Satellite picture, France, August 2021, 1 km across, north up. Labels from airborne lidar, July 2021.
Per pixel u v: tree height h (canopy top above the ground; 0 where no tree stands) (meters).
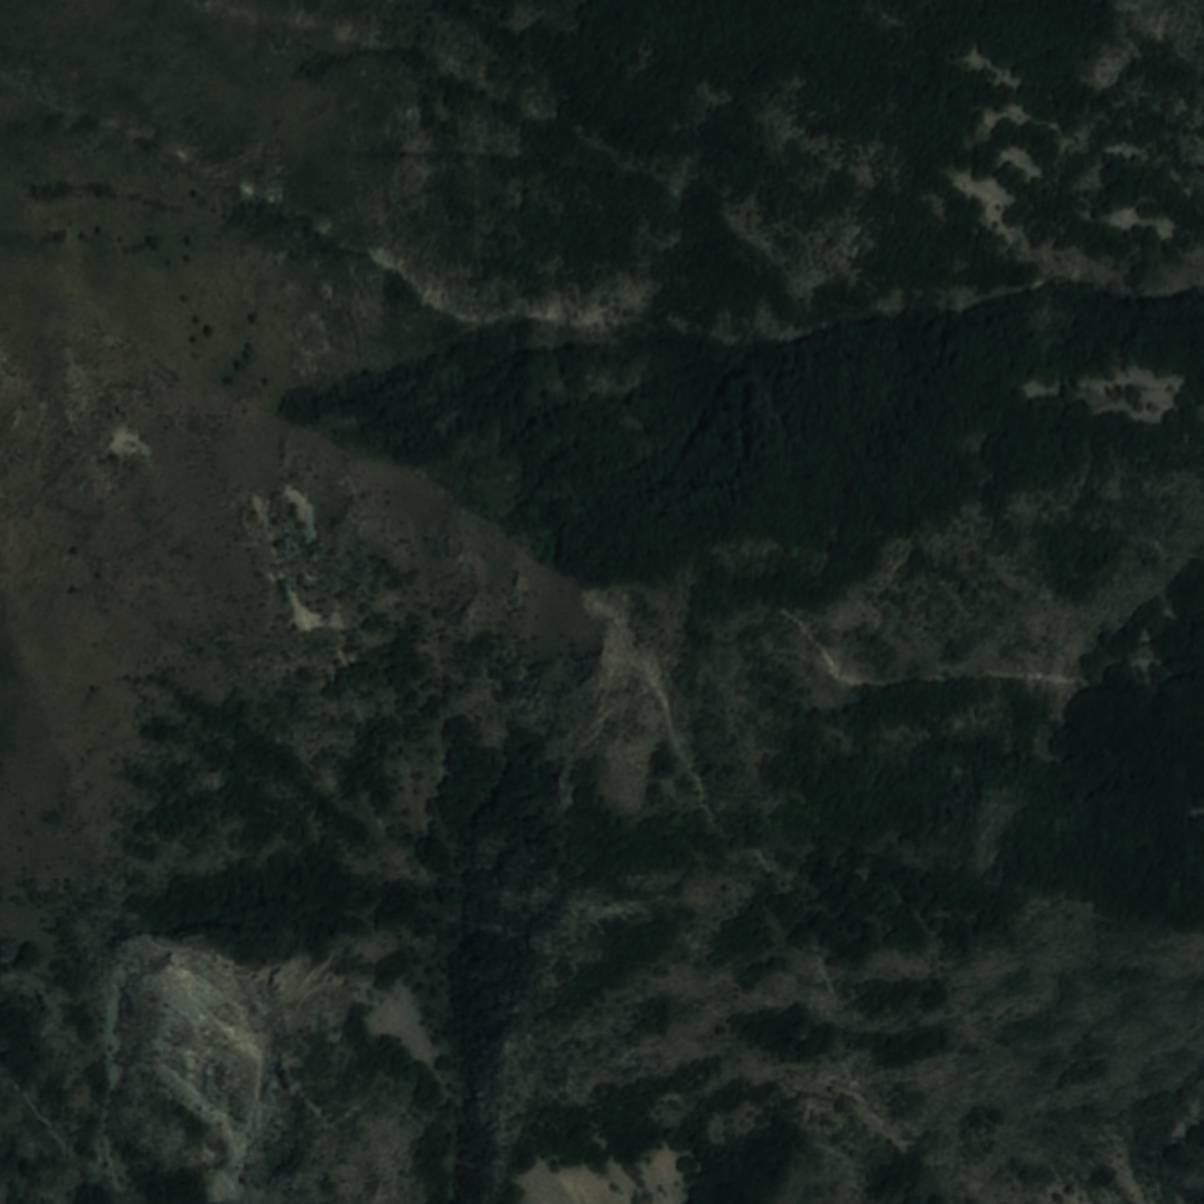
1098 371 13
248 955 10
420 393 8
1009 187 11
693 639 11
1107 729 21
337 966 10
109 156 0
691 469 19
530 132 9
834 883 10
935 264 13
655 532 17
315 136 0
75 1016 7
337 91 0
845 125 8
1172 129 7
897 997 14
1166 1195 7
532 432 14
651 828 12
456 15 7
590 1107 7
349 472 0
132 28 0
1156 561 9
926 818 9
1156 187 9
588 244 11
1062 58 14
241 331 0
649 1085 10
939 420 11
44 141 0
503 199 8
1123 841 15
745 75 11
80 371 0
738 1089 9
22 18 0
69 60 0
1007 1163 7
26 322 0
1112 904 13
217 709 6
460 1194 10
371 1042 16
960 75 19
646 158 8
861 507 13
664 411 16
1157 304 19
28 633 0
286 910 15
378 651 8
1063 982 6
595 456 14
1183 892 8
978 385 13
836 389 16
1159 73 10
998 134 13
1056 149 7
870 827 16
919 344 11
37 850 0
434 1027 6
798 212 7
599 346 9
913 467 9
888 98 8
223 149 0
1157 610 14
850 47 12
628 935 10
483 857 6
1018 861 11
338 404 7
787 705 10
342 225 0
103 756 0
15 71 0
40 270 0
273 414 0
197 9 0
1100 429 13
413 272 0
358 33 0
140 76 0
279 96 0
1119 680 18
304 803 9
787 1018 11
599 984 10
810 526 11
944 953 6
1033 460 17
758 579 8
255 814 12
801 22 14
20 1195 9
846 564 15
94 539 0
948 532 8
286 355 0
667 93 14
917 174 7
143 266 0
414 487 0
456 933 9
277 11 0
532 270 9
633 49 8
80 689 0
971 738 11
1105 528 7
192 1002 0
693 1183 11
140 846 6
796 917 17
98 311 0
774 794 7
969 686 10
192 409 0
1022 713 10
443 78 7
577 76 11
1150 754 18
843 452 11
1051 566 8
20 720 0
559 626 0
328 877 10
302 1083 8
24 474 0
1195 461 8
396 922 23
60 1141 0
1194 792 17
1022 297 14
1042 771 12
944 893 11
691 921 12
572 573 8
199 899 16
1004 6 15
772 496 16
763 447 9
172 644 0
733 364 7
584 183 10
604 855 11
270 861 10
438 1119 12
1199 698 19
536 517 8
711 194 8
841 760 13
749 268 11
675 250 8
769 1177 15
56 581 0
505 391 6
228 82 0
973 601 7
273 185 0
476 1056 12
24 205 0
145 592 0
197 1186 6
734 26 13
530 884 7
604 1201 0
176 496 0
